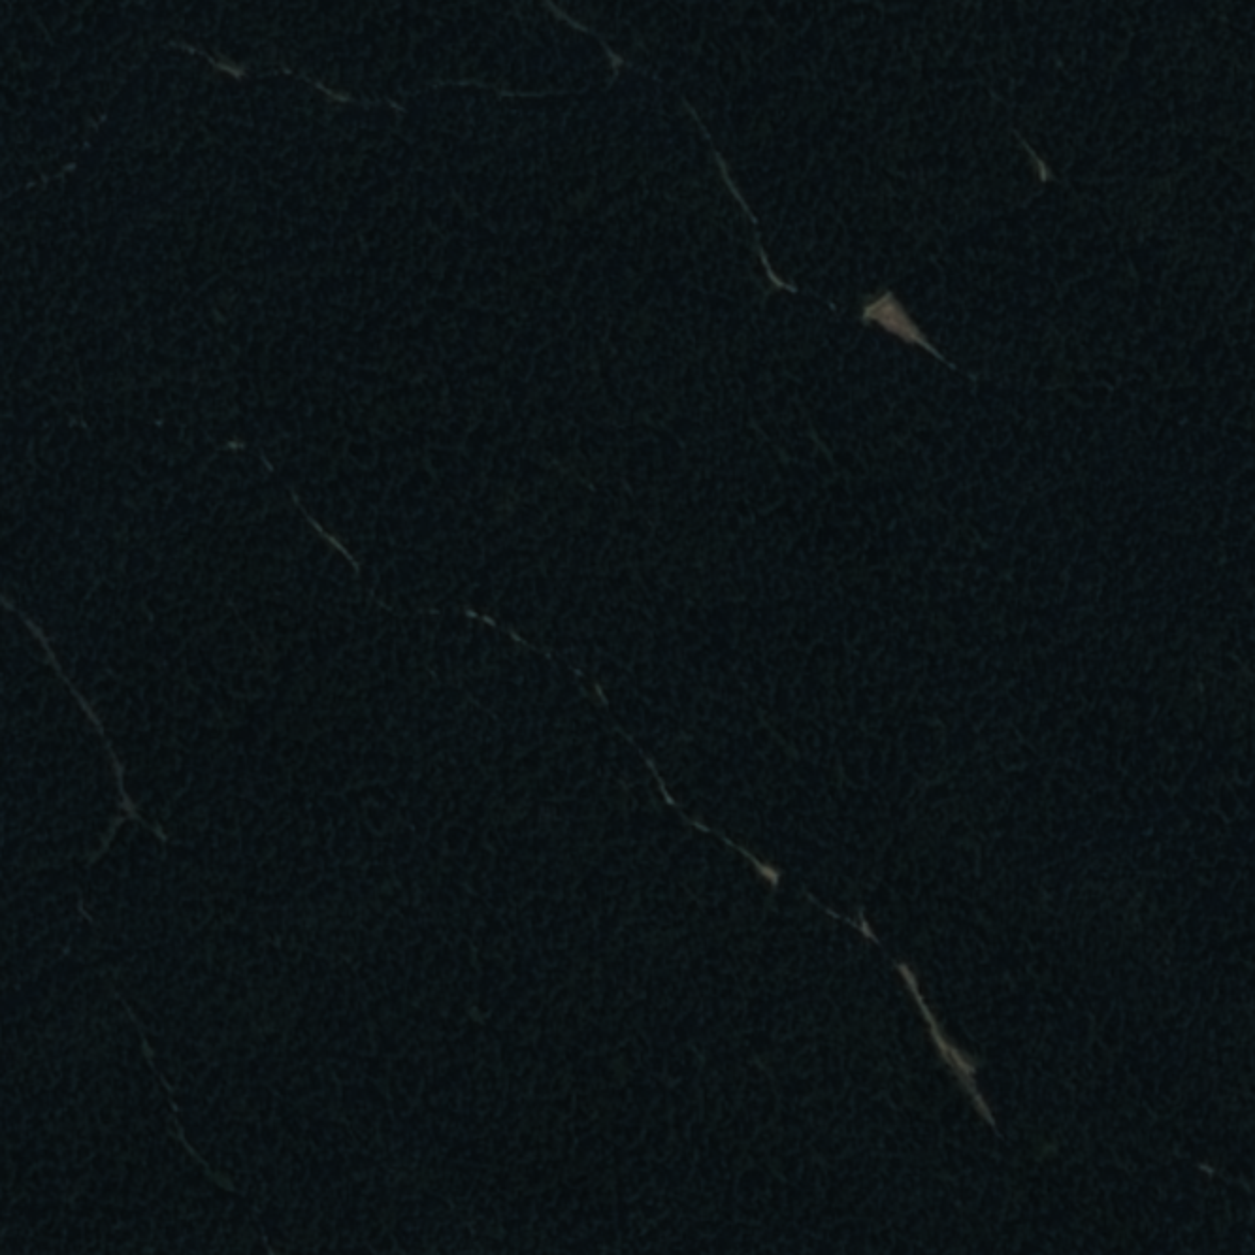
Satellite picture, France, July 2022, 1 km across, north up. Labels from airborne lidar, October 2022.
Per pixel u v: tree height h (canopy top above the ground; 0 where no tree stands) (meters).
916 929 9
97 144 23
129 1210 17
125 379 12
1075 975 27
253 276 17
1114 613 14
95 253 10
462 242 7
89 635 16
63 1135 18
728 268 19
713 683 26
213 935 16
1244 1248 20
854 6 22
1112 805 31
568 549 16
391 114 22
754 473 21
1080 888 16
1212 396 16
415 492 19
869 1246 12
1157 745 31
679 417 7
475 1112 28
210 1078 37
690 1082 21
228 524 22
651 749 20
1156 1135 26
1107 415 18
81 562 31
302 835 26
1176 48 22
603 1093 22
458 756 20
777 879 0
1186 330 41
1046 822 15
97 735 22
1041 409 20
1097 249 22
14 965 15
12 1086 37
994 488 18
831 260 15
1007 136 20
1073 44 30
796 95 19
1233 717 21
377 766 22
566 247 23
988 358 19
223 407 25
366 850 20
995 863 23
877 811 21
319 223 18
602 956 22
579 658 21
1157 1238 10
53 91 30
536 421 17
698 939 16
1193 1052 22
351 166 23
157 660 9
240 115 11
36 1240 25
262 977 19
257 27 21
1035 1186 10
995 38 26
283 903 20
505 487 17
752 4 11
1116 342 27
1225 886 22
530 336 28
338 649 21
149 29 16
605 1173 22
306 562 16
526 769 17
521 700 21
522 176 19
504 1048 17
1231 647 14
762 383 31
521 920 31
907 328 0
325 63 26
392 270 25
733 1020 32
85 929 30
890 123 23
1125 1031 23
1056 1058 18
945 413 30
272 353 16
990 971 24
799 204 19
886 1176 22
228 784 21
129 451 11
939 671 24
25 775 12
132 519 29
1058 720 20
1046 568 17
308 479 14
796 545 17
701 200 17
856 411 20
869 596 20
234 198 16
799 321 15
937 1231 21
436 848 27
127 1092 22
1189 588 21
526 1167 20
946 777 7
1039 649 17
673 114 16
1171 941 16
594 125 17
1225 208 18
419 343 7
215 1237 13
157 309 19
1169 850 24
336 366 14
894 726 19
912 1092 8
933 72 18
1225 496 20
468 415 16
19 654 27
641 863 28
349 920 9
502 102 20
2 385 24
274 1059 30
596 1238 29
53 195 13
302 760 18
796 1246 22
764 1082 18
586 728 21
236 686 22
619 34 10
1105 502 12
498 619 29
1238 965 15
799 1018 17
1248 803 23
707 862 16
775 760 31
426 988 13
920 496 29
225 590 24
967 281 20
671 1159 21
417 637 22
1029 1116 22
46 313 20
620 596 20
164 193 30
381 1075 22
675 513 16
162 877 21
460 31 16
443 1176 18
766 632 30
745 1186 32
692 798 31
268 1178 28
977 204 25
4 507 14
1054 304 16
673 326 17
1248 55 20
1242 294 24
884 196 22
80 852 17
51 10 28
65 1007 18
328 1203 24
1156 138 31
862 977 20
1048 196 26
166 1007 13
